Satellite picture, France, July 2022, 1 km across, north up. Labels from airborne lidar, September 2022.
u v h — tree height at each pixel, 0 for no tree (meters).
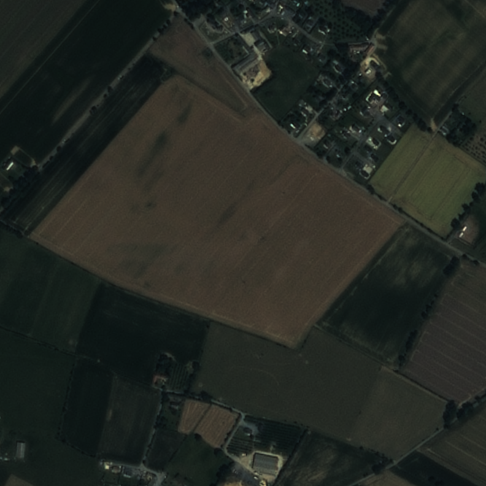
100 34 0
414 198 0
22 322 0
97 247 0
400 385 0
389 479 0
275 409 0
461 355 0
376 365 0
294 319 0
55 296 0
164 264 0
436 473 0
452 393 0
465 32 0
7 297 0
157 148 0
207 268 0
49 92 0
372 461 0
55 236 0
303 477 0
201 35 0
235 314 0
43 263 0
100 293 0
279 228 0
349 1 0
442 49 0
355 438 0
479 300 0
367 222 0
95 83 0
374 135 0
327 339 0
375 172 0
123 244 0
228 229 0
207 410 0
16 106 0
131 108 0
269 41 0
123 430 0
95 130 0
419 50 0
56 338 0
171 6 0
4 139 0
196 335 0
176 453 6
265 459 0
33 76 0
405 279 0
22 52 0
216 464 0
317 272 0
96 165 0
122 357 0
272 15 0
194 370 10
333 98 10
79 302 0
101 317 0
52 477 0
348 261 0
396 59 0
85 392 0
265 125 0
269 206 0
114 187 0
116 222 0
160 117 0
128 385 0
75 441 0
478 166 0
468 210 17
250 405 0
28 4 0
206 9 23
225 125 0
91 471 0
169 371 10
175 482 0
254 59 0
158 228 0
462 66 0
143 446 0
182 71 0
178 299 0
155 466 0
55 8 0
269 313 0
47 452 0
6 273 0
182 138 0
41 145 0
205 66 0
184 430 0
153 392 0
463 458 0
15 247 0
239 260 0
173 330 0
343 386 0
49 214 0
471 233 0
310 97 0
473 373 0
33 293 0
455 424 0
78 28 0
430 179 0
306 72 0
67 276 0
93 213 0
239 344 0
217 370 0
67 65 0
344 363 0
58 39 0
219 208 0
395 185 0
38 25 0
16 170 0
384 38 0
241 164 0
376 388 0
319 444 0
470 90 0
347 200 0
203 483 0
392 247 0
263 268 0
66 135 0
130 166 0
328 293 0
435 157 0
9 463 0
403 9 0
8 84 0
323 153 7
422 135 0
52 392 0
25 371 0
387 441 0
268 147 0
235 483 0
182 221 0
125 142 0
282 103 0
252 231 0
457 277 0
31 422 0
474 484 0
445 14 0
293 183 0
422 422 0
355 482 0
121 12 0
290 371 0
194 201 0
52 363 0
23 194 14
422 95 0
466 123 16
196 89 0
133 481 0
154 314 0
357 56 0
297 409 0
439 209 0
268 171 0
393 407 0
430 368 0
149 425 0
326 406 0
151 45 0
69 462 0
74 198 0
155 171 0
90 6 0
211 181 0
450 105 0
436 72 0
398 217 0
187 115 0
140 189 0
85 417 0
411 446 0
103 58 0
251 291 0
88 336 0
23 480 0
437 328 0
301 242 0
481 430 0
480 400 13
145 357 0
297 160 0
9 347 0
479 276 0
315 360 0
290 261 0
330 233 0
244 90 0
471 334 0
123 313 0
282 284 0
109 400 0
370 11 0
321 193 0
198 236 0
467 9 0
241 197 0
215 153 0
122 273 0
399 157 0
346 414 0
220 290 0
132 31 0
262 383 0
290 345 0
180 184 0
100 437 0
